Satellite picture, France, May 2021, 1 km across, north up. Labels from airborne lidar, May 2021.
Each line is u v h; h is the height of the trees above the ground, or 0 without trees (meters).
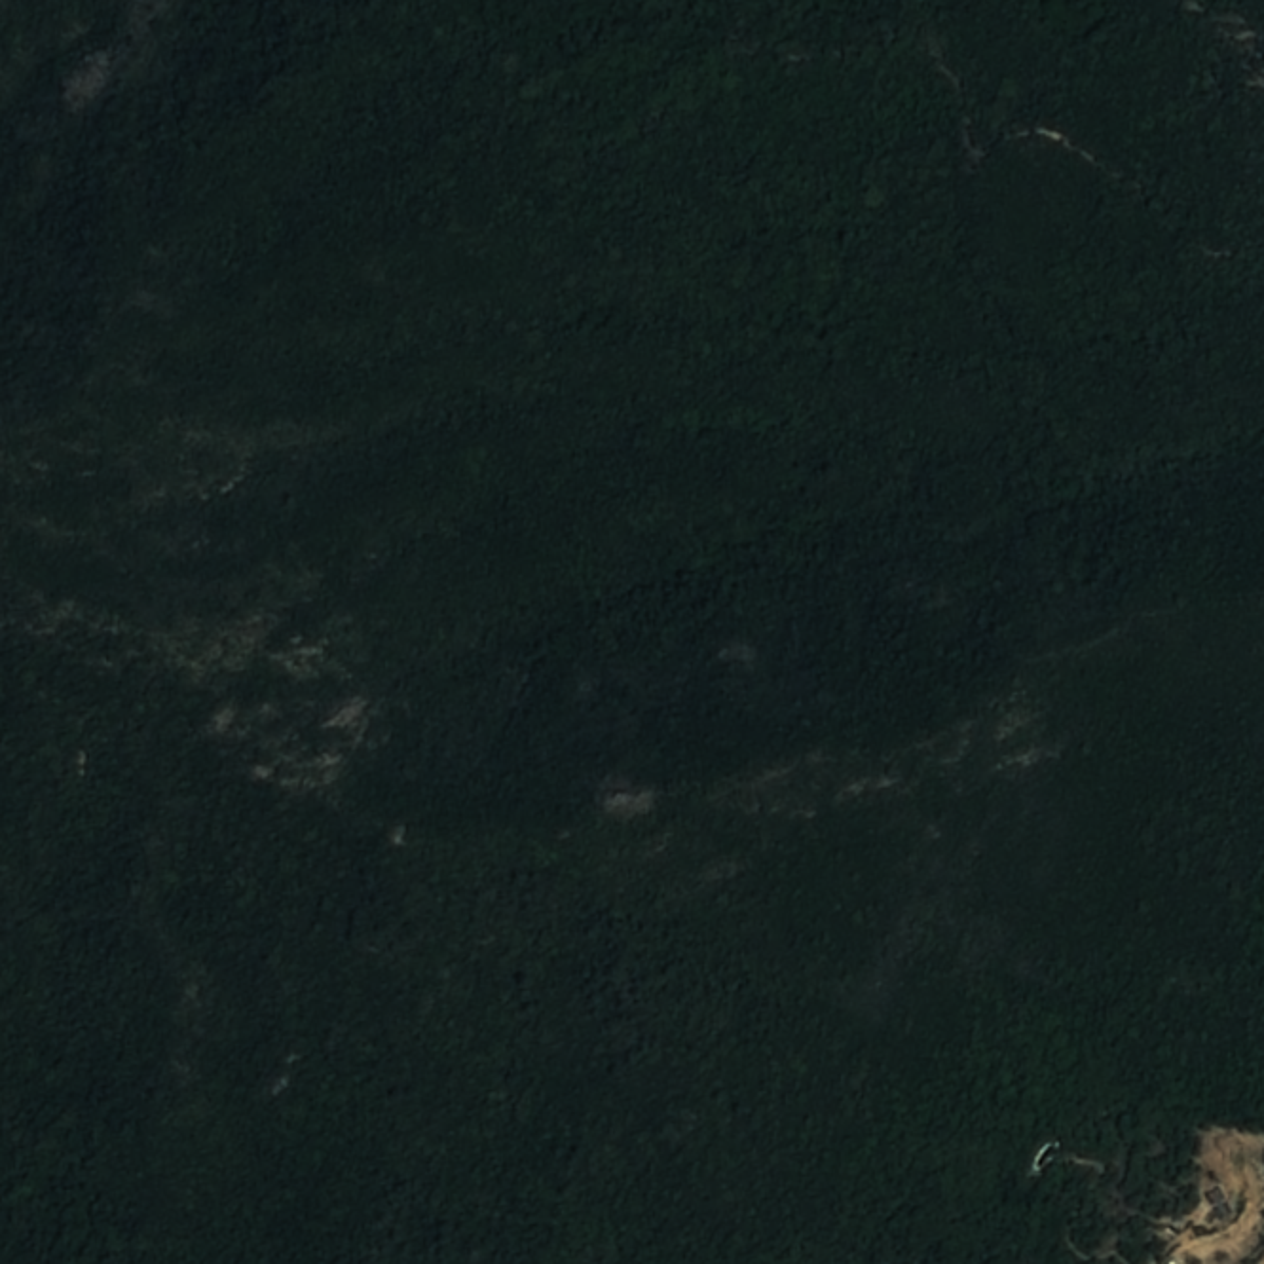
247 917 7
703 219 10
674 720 12
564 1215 9
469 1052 9
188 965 7
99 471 9
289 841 9
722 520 7
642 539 9
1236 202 6
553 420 7
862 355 8
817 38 7
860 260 11
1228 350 7
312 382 8
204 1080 8
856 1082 9
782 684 9
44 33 10
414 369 8
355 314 6
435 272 6
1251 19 9
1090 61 7
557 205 11
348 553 9
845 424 8
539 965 13
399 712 7
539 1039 9
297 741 7
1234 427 14
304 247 7
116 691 6
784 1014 13
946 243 12
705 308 10
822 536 7
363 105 8
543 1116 9
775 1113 8
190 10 12
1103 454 14
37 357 7
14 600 7
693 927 9
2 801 7
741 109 8
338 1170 10
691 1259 9
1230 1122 7
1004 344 8
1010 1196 11
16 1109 6
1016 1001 7
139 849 7
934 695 10
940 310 8
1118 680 6
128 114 11
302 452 9
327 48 13
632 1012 6
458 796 9
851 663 7
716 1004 6
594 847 7
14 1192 16
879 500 9
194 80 7
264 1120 8
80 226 11
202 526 5
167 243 7
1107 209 12
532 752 6
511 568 7
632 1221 9
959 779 6
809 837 8
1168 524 8
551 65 11
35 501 7
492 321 9
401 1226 12
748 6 7
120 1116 13
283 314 7
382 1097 8
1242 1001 6
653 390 6
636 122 8
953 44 6
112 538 7
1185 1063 10
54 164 7
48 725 9
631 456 6
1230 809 6
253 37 15
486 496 8
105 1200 15
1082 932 6
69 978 10
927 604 7
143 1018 9
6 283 7
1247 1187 0
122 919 6
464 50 12
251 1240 13
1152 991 6
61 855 7
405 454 7
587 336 9
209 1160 11
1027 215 6
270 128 9
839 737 6
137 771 6
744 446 8
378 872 6
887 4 8
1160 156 10
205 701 11
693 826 12
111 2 14
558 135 9
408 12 9
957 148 9
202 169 5
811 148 8
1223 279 12
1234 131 7
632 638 10
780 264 9
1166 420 7
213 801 8
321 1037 9
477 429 9
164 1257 7
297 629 7
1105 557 14
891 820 8
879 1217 12
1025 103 7
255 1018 12
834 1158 10
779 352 8
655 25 11
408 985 8
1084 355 9
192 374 9
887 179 10
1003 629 9
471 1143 7
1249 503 8
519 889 7
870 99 8
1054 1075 10
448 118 10
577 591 11
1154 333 13
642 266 5
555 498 8
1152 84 8
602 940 7
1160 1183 8
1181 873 9
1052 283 9
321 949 6
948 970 6
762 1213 9
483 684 7
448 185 10
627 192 10
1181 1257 0
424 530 6
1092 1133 13
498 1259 9
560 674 7
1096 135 6
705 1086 9
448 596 6
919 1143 12
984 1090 9
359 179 7
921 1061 7
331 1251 13
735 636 8
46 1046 8
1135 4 8
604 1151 7
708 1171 9
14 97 6
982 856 6
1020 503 8
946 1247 13
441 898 11
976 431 9
